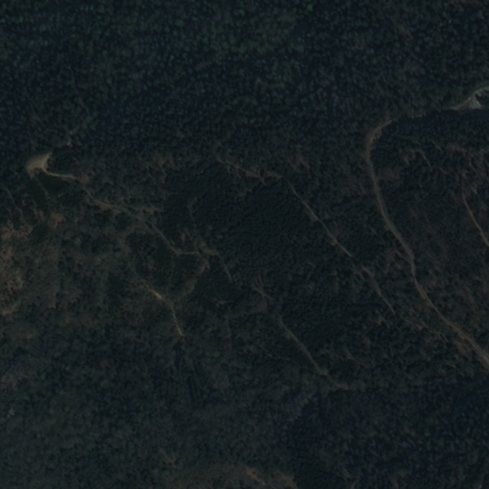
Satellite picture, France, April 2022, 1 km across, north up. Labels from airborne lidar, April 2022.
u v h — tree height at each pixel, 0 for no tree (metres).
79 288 9
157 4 24
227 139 20
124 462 6
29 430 18
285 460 22
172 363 21
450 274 16
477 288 29
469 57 31
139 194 18
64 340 22
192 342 16
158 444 13
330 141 26
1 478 16
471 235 19
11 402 21
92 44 27
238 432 11
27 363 23
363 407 24
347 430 20
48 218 9
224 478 9
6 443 21
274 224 24
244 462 15
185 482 7
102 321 8
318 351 17
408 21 23
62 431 7
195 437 20
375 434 24
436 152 16
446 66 18
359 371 27
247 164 10
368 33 28
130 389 19
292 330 18
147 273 9
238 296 13
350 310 15
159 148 14
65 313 23
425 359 21
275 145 21
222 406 25
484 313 24
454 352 27
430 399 20
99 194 13
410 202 20
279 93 28
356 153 30
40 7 16
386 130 7
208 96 10
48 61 22
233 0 26
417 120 6
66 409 17
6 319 19
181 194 21
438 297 22
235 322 10
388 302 17
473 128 13
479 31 27
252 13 28
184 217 11
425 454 18
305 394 26
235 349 20
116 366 14
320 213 24
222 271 12
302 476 19
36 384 20
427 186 18
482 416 10
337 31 11
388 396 22
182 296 7
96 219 15
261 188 21
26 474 17
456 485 9
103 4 27
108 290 6
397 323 30
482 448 13
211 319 9
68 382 23
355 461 15
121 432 18
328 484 21
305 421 21
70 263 23
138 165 10
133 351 20
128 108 16
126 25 27
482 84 12
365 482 16
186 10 23
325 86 25
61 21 27
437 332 22
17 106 19
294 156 22
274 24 26
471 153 10
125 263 15
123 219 9
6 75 21
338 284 20
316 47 31
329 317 17
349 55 36
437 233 21
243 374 18
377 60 26
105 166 20
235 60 14
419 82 23
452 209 17
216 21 30
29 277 16
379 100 23
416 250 21
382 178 17
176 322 9
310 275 21
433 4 35
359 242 21
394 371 26
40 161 0
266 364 23
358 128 21
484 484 8
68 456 18
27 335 24
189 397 17
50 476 19
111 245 13
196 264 6
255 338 6
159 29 27
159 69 18
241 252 20
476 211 14
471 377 15
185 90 20
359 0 34
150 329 18
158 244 8
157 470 19
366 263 14
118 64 24
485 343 10
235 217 22
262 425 20
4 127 24
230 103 23
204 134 29
